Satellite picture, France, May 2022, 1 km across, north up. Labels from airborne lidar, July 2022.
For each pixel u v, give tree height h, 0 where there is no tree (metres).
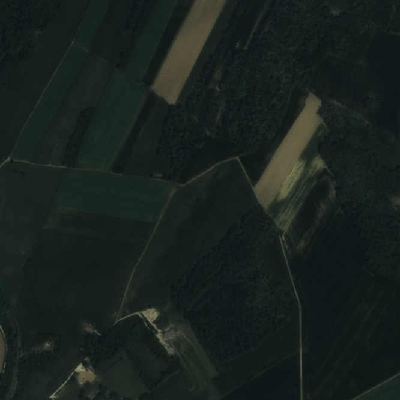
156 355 9
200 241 0
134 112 0
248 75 23
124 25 0
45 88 0
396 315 0
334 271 0
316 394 0
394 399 0
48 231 0
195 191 0
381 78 0
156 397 0
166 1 0
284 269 0
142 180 0
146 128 0
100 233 0
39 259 0
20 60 22
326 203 0
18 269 0
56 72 0
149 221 0
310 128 0
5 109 0
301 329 0
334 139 17
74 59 0
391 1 14
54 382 0
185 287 12
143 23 16
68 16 0
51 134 0
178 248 0
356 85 0
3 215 0
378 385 0
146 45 0
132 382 0
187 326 0
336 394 0
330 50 19
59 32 0
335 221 0
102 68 0
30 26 29
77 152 12
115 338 23
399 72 0
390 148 0
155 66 0
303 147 0
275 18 26
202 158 0
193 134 25
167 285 0
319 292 0
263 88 22
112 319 0
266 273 22
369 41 11
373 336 0
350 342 0
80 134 11
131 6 0
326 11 10
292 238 0
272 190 0
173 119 21
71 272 0
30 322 0
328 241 0
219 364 20
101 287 0
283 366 0
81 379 0
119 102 0
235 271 22
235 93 23
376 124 0
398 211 25
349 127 12
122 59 13
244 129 8
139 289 0
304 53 22
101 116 0
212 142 0
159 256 0
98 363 23
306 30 19
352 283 0
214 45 0
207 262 18
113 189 0
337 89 0
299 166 0
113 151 0
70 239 0
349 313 0
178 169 18
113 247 0
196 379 0
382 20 22
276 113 19
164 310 0
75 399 0
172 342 0
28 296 0
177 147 20
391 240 26
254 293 31
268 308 28
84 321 0
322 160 14
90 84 0
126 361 0
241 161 0
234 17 15
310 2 18
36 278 0
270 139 17
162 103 0
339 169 24
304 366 0
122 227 0
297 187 0
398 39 0
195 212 0
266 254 0
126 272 0
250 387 0
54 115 0
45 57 0
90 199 0
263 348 0
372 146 21
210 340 23
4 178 0
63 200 0
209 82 21
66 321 0
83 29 0
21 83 0
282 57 20
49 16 22
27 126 0
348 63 0
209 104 19
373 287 0
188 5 0
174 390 0
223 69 0
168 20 0
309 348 0
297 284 0
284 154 0
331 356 0
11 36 25
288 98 18
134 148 0
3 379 13
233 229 19
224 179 0
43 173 0
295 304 19
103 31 0
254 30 0
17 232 0
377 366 0
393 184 19
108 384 0
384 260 23
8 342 17
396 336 0
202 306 16
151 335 9
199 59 0
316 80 0
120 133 0
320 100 0
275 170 0
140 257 0
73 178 0
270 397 0
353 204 23
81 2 0
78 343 0
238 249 24
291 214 0
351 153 26
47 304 0
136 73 0
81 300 0
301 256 0
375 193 25
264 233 24
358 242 0
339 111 18
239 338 26
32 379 0
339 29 21
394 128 0
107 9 0
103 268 0
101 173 0
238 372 0
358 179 27
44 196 0
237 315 28
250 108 22
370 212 23
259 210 12
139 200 0
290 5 21
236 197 0
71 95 0
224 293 24
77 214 0
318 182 0
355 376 0
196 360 0
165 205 0
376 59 0
